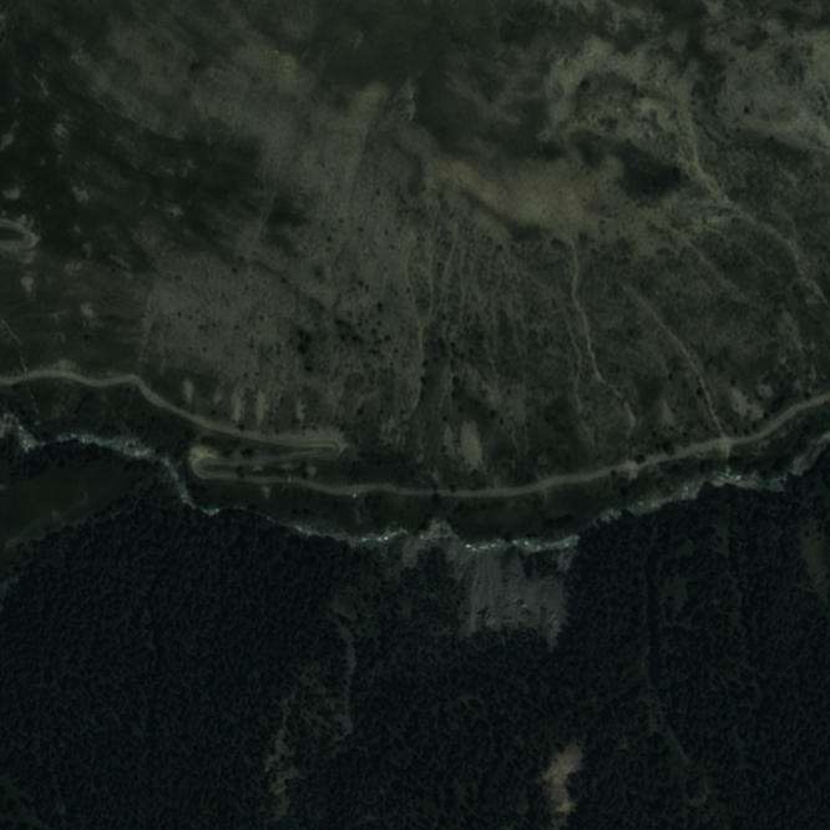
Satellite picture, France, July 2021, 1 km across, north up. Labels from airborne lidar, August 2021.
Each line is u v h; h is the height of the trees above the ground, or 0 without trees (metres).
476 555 0
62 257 0
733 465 18
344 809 13
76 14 0
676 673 24
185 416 0
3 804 23
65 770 23
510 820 21
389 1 0
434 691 18
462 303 0
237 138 0
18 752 20
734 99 0
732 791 21
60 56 0
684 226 0
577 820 6
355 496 0
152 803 25
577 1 0
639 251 0
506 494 0
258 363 0
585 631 20
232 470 0
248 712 20
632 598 13
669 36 0
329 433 0
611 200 0
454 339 0
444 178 0
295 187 0
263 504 0
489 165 0
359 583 9
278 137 0
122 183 0
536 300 0
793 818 25
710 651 15
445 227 0
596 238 0
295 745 16
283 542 9
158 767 23
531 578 11
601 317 0
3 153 0
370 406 0
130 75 0
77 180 0
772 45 0
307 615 23
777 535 8
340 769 17
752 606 9
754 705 28
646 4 0
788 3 0
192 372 0
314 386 0
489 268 0
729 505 7
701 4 0
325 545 23
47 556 8
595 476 0
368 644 8
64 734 17
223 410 0
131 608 23
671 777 32
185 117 0
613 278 7
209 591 29
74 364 0
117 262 0
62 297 0
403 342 0
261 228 0
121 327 0
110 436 14
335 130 0
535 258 0
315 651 21
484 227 0
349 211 0
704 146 0
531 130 0
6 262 0
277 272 0
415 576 9
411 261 0
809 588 8
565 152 0
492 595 0
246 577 21
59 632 23
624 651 20
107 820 27
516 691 20
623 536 23
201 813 24
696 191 0
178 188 0
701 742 16
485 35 0
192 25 0
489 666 21
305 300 0
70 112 0
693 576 8
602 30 0
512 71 0
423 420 0
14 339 0
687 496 0
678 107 0
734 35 0
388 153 0
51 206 0
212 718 20
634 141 0
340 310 0
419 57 0
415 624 6
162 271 0
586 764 6
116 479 0
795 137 0
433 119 0
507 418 0
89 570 12
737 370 0
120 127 0
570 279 0
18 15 0
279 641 27
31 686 17
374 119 0
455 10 0
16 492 0
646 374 0
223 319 0
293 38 0
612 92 0
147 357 0
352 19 0
